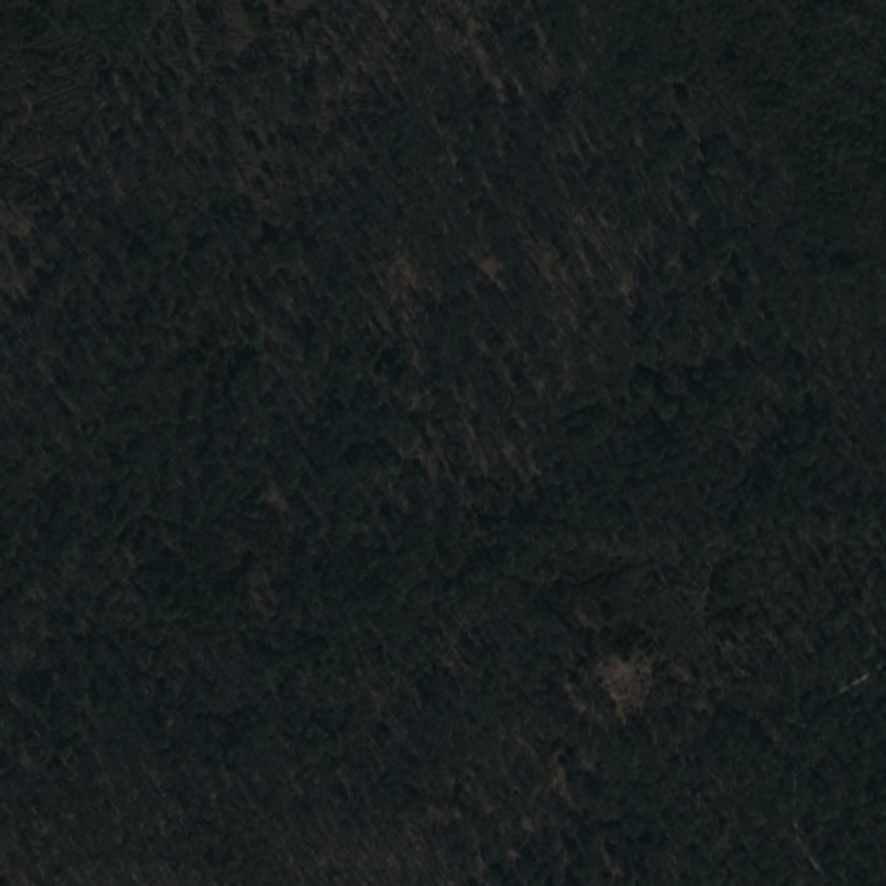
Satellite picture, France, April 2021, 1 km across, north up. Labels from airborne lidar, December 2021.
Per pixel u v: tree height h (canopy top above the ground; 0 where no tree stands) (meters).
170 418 31
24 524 36
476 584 30
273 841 26
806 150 28
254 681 27
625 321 34
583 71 30
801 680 36
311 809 29
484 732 34
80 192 33
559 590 18
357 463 31
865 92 28
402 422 32
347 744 32
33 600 35
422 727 27
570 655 9
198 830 29
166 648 15
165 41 30
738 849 38
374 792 38
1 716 35
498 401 34
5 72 9
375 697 32
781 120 30
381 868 27
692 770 31
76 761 32
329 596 32
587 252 31
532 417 28
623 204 36
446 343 39
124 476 40
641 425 41
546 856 40
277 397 34
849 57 23
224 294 38
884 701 38
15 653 31
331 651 32
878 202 32
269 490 25
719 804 33
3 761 34
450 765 30
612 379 14
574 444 38
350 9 34
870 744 38
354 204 31
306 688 32
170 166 38
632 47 17
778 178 30
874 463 34
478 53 0
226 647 23
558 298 25
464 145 36
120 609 32
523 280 31
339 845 29
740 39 20
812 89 24
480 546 12
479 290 36
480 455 31
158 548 26
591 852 41
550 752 30
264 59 30
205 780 29
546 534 40
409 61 34
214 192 10
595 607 12
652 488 35
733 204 32
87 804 29
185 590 30
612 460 37
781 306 40
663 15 29
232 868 26
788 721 36
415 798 31
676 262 33
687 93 29
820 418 39
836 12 26
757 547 10
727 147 29
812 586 0
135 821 29
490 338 39
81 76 10
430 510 37
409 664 27
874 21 27
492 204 9
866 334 36
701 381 0
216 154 40
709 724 12
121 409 27
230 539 13
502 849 36
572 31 32
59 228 36
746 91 30
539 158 41
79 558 32
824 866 39
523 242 33
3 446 33
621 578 10
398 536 35
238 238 40
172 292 30
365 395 33
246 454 41
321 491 28
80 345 38
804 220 31
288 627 27
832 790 39
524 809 11
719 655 0
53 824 30
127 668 33
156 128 37
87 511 8
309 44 24
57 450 36
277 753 33
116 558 31
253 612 34
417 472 11
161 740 29
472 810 30
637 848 33
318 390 32
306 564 26
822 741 35
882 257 29
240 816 26
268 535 23
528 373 36
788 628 8
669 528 34
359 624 36
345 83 37
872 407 40
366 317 35
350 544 18
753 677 0
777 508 36
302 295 33
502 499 36
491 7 36
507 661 32
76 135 10
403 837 27
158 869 27
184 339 23
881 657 10
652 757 40
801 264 39
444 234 36
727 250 40
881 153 21
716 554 6
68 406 33
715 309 37
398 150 31
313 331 31
